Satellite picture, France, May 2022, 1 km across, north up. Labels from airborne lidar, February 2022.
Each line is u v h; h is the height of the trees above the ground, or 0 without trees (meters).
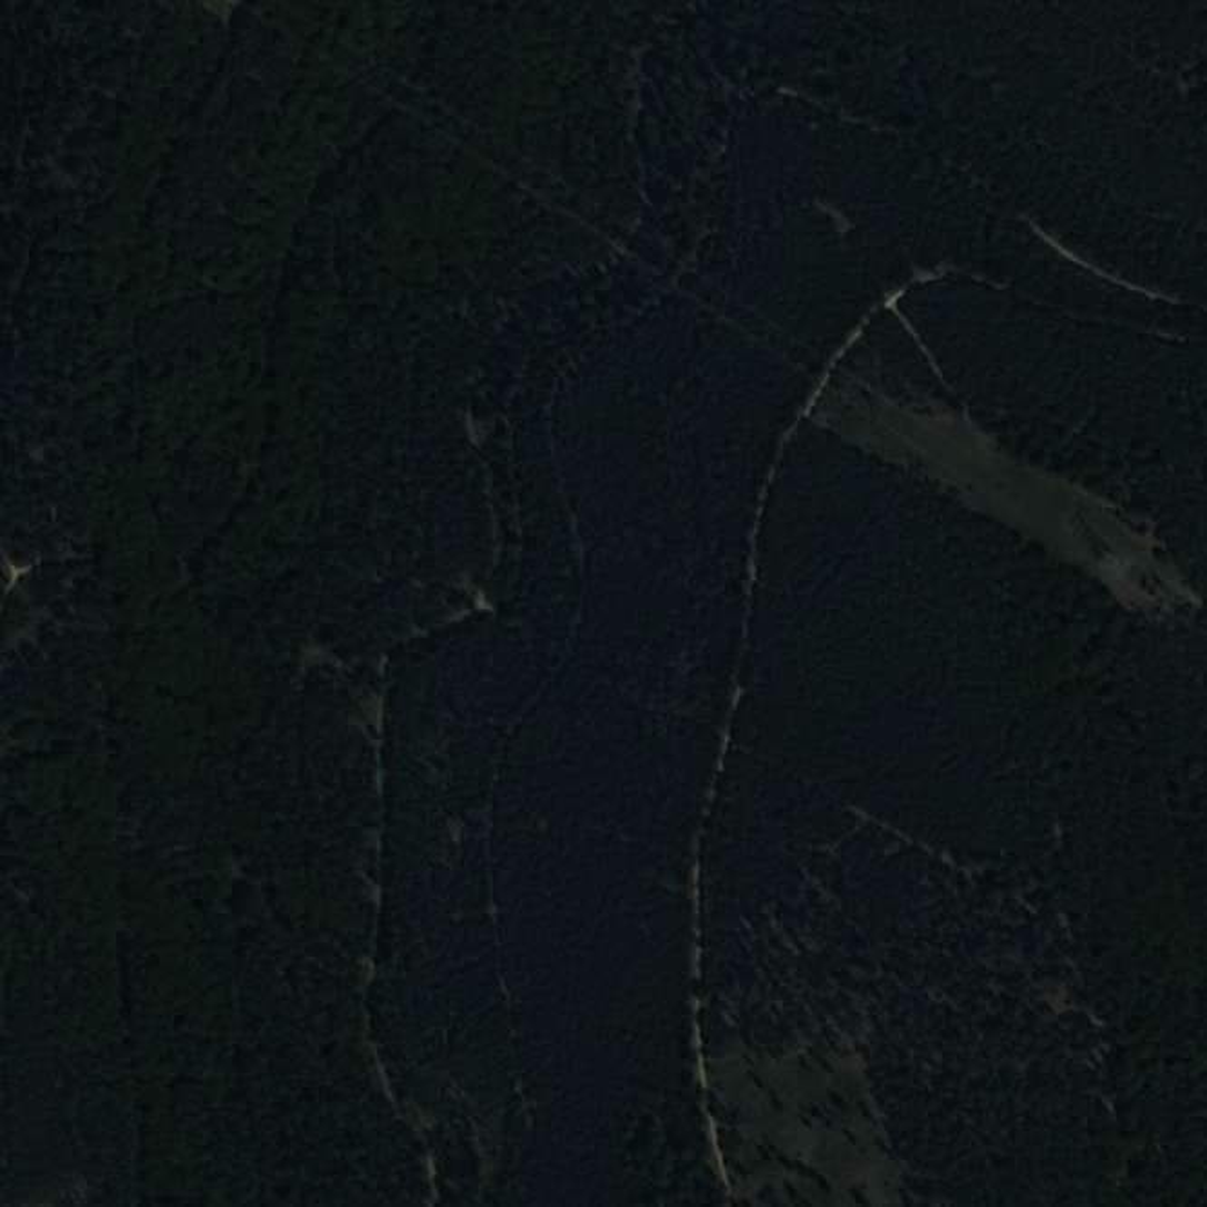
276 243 19
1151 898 22
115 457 30
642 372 10
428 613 24
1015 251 10
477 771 10
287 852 27
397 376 26
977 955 24
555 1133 12
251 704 27
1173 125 23
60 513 25
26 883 23
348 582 27
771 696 14
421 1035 6
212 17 11
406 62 30
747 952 30
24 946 25
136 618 26
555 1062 10
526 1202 13
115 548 22
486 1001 17
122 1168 22
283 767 26
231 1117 21
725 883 11
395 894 22
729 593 28
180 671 27
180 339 25
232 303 21
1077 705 20
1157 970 23
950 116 10
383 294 31
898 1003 27
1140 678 14
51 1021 23
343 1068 23
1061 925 24
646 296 34
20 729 26
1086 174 13
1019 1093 20
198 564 24
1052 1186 24
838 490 12
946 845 8
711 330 12
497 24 32
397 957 7
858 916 8
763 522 10
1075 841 20
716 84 30
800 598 14
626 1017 13
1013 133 11
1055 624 16
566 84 26
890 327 16
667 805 12
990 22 25
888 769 8
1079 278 13
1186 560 10
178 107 21
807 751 11
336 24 29
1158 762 13
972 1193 29
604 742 11
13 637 0
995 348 13
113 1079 24
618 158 23
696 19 21
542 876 10
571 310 30
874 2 16
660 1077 11
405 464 29
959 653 7
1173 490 12
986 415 11
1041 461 16
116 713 25
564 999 15
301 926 22
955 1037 26
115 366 26
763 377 12
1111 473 11
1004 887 23
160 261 25
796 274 10
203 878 28
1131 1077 23
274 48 24
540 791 11
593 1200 13
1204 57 8
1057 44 21
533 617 11
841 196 11
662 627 10
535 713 11
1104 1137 25
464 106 33
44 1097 23
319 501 26
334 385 31
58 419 20
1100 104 19
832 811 13
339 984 25
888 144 12
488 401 8
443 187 25
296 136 26
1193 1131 22
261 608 29
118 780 24
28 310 16
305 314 27
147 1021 21
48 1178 23
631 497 13
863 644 11
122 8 17
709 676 12
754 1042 29
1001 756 12
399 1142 17
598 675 11
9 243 32
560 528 13
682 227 32
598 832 9
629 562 10
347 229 25
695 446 10
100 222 22
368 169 26
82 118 20
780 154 13
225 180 26
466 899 8
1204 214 11
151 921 26
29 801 28
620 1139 10
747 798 8
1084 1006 14
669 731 9
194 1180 17
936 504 13
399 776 12
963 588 15
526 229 28
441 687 7
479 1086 6
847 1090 0
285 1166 24
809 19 16
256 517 31
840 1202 0
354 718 27
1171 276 12
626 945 12
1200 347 15
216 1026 24
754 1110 0
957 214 13
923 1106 26
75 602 21
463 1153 8
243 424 20
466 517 28
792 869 10
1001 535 13
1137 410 10
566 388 14
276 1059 26
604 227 24
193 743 27
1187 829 19
